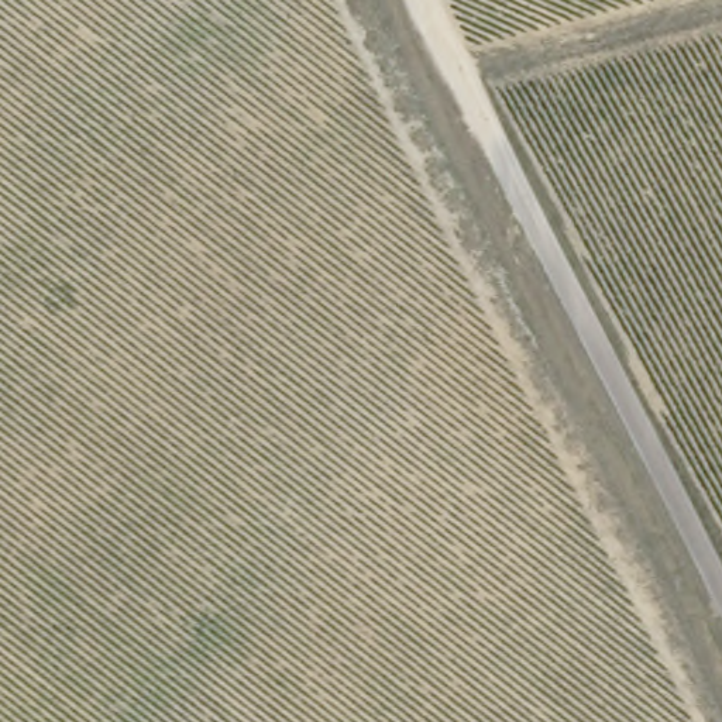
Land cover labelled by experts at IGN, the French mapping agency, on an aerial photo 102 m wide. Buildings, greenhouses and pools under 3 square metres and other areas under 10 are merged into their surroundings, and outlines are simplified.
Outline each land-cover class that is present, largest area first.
<instances>
[{"label":"vineyard","instance_id":"1","mask_svg":"<svg viewBox=\"0 0 722 722\"><path fill-rule=\"evenodd\" d=\"M0 722H691L668 668L660 663L640 615L632 606L626 587L618 581V573L609 564L606 550L598 544L592 522L581 510L573 482L564 477L558 457L550 448L542 420L533 417V409L525 400L522 386L516 384V375L505 353L499 350V338L482 316L474 288L468 285L465 274L448 251L443 226L437 223L426 195L420 192L417 175L389 127V118L369 85V76L353 48V39L347 37L344 23L336 14L333 0H0ZM637 0H448L451 17L457 20L465 42L474 45L491 37L553 25L558 20L595 14L601 8H615ZM502 99L508 107L496 113L505 135L598 324L606 333V341L618 355V364L643 415L657 432V440L668 454L722 564V37H705L699 42L674 45L666 51H640L620 62H604L573 73H556L547 82L533 79L516 87H505Z\"/></svg>","mask_w":722,"mask_h":722},{"label":"herbaceous vegetation","instance_id":"2","mask_svg":"<svg viewBox=\"0 0 722 722\"><path fill-rule=\"evenodd\" d=\"M336 14L344 23L347 37L353 39V48L369 76V85L389 118V127L417 175L420 192L426 195L437 223L443 226L448 251L465 274L468 285L474 288L482 316L499 338V350L505 353L516 375V384L522 386L525 400L533 409V417L542 420L550 448L558 457L564 477L573 482L581 510L592 522L598 544L606 550L609 564L618 573V581L626 587L632 606L640 615L660 663L668 668L691 722H722V618L711 609V598L691 561V553L680 539L654 482L649 479L646 465L637 457L575 333L570 313L564 310L536 251L530 248L525 226L513 217L508 195L482 149L463 118V110L451 87L440 76L432 54L426 51L423 37L415 28L403 0H333ZM705 37H722V0H637L615 8H601L595 14L558 20L553 25L491 37L474 45L465 42L468 56L477 62L482 90L496 113L508 107L502 99L505 87H516L533 79L547 82L556 73H573L604 62H620L640 51H666L674 45L699 42Z\"/></svg>","mask_w":722,"mask_h":722},{"label":"impervious surface","instance_id":"3","mask_svg":"<svg viewBox=\"0 0 722 722\"><path fill-rule=\"evenodd\" d=\"M508 195L513 217L525 226L530 248L536 251L564 310L570 313L575 333L637 457L646 465L649 479L654 482L680 539L691 553V561L711 598V609L722 618V564L668 454L657 440V432L643 415L618 364V355L606 341V333L598 324L505 135L482 149Z\"/></svg>","mask_w":722,"mask_h":722},{"label":"pervious surface","instance_id":"4","mask_svg":"<svg viewBox=\"0 0 722 722\"><path fill-rule=\"evenodd\" d=\"M415 28L423 37L426 51L432 54L440 76L451 87L463 110V118L482 149L505 135L496 113L482 90L477 62L468 56L465 42L457 20L451 17L448 0H403Z\"/></svg>","mask_w":722,"mask_h":722}]
</instances>
